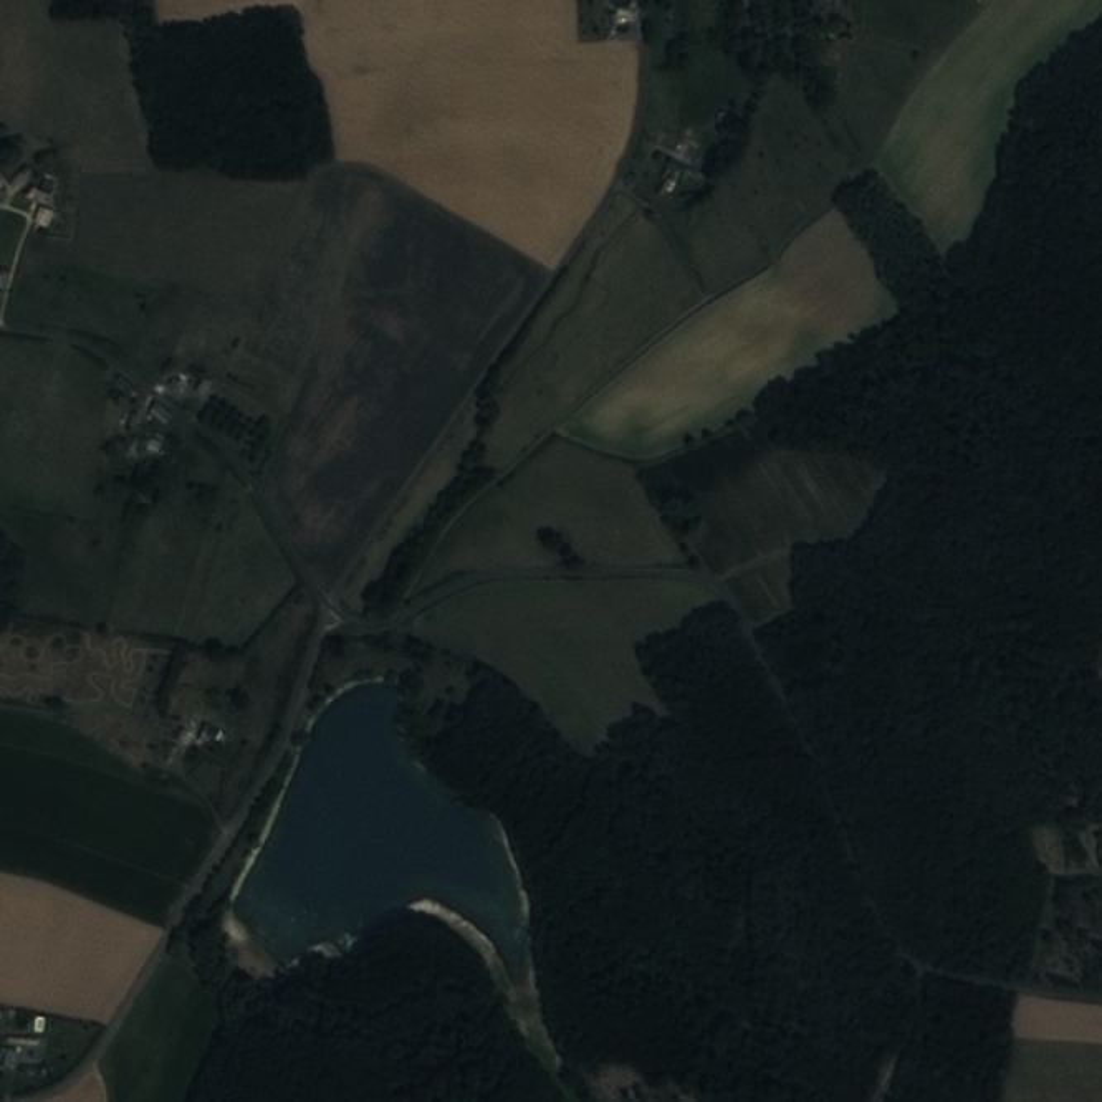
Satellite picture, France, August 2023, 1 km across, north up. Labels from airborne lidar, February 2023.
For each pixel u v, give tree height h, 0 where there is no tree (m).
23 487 0
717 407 0
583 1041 22
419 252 0
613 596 0
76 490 0
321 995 24
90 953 0
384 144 0
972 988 11
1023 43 0
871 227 18
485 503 0
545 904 17
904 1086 15
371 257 0
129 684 0
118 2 20
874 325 0
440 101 0
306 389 0
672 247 0
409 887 0
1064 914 9
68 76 0
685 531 10
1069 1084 0
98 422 0
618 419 0
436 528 9
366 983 10
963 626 19
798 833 16
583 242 0
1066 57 15
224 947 7
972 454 23
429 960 22
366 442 0
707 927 21
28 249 0
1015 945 16
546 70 0
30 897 0
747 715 13
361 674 6
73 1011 0
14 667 0
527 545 0
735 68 0
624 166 0
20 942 0
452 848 0
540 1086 22
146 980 0
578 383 0
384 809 0
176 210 0
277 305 0
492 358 0
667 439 0
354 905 0
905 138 0
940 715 17
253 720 0
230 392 0
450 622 0
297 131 17
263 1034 22
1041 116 18
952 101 0
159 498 14
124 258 0
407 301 0
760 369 0
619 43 0
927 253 19
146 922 0
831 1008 15
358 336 0
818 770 19
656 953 17
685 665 12
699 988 20
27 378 0
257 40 20
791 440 13
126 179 0
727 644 18
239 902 0
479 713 17
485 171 0
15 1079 0
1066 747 15
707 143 0
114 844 0
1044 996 0
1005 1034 21
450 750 17
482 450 13
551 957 21
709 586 0
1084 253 21
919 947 16
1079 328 17
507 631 0
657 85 0
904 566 17
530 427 0
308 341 0
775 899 16
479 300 0
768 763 18
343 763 0
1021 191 24
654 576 0
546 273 0
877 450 20
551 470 0
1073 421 25
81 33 0
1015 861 10
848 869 16
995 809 13
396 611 0
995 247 25
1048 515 20
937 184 0
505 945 0
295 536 0
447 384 0
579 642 0
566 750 7
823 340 0
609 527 0
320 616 0
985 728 11
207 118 19
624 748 14
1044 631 17
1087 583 17
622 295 0
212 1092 20
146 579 0
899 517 16
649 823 20
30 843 0
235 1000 18
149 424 0
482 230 0
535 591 0
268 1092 23
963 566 13
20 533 0
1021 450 21
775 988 14
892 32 0
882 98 0
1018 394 24
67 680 0
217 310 0
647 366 0
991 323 20
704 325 0
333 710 0
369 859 0
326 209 0
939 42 0
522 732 14
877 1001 16
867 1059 12
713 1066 20
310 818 0
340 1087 24
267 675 0
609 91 0
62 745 0
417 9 0
